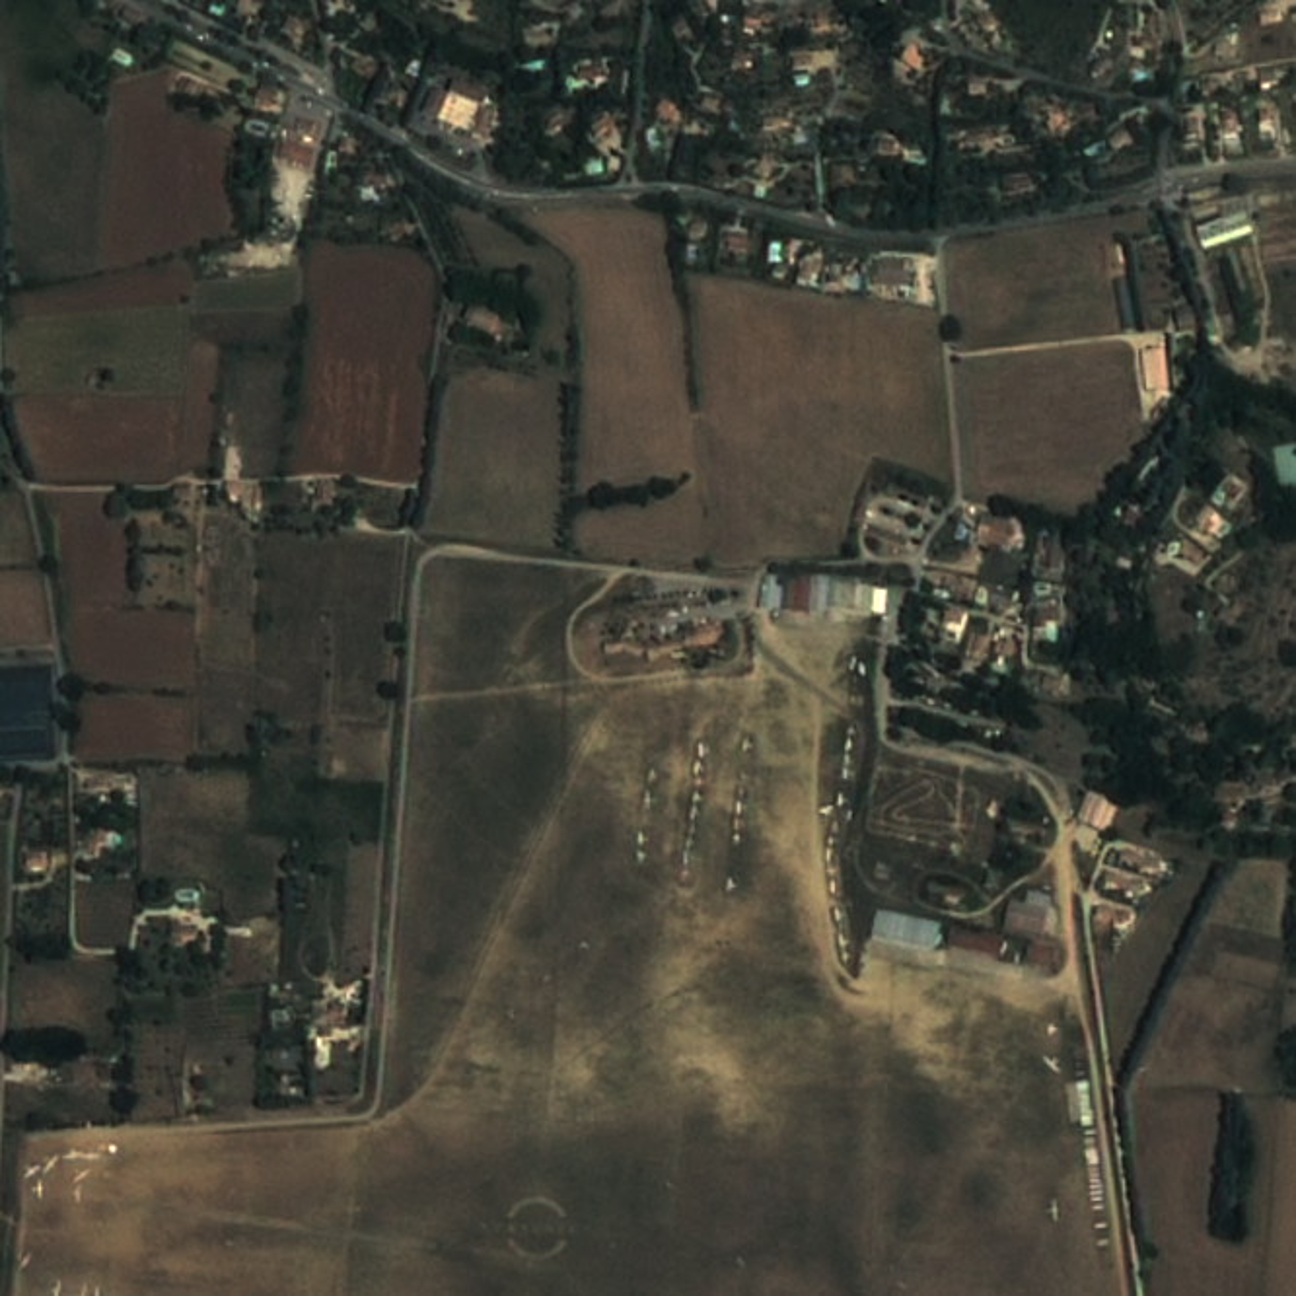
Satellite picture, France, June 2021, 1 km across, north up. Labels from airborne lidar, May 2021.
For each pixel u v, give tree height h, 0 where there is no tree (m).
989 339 0
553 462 0
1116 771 11
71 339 0
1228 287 7
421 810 0
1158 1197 0
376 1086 0
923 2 12
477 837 0
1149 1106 0
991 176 13
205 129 0
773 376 0
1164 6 9
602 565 0
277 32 9
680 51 6
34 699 0
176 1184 0
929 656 17
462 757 0
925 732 14
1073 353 0
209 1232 0
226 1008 0
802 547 0
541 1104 0
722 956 0
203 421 0
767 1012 0
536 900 0
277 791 0
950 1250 0
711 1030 0
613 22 12
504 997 0
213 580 0
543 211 0
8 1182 0
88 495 0
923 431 0
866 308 0
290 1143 0
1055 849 0
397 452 0
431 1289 0
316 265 0
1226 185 12
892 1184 0
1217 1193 14
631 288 0
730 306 0
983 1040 0
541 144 7
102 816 10
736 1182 0
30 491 0
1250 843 8
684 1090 0
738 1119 0
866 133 11
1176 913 0
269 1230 0
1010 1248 0
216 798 0
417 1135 0
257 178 15
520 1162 0
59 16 0
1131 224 0
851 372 0
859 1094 0
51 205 0
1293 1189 0
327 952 0
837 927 0
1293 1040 13
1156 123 11
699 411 0
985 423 0
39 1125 9
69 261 0
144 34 17
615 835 0
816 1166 0
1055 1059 0
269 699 0
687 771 0
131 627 0
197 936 6
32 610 0
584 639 0
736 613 0
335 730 0
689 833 0
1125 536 8
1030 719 13
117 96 0
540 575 0
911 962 0
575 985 0
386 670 0
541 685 0
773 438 0
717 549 0
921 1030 0
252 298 0
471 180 0
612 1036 0
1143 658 13
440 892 0
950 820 0
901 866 0
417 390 0
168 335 0
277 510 7
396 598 0
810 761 0
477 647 0
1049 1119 0
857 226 7
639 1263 0
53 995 0
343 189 6
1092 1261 0
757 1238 0
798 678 0
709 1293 0
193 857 0
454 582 0
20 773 12
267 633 0
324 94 0
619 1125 0
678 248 9
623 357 0
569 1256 0
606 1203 0
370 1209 0
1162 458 9
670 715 0
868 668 0
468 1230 0
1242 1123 13
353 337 0
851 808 0
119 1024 10
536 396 0
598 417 0
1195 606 9
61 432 0
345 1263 0
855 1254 0
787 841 0
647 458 0
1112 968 0
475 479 0
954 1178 0
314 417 0
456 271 10
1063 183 10
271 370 0
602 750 0
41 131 0
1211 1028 0
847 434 0
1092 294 0
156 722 0
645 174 6
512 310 21
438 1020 0
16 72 0
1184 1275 0
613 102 13
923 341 0
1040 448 0
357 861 0
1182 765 15
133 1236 0
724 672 0
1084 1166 0
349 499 7
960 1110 0
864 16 16
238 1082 0
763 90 8
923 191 9
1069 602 8
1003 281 0
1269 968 0
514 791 0
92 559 0
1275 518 15
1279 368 0
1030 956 0
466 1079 0
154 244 0
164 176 0
